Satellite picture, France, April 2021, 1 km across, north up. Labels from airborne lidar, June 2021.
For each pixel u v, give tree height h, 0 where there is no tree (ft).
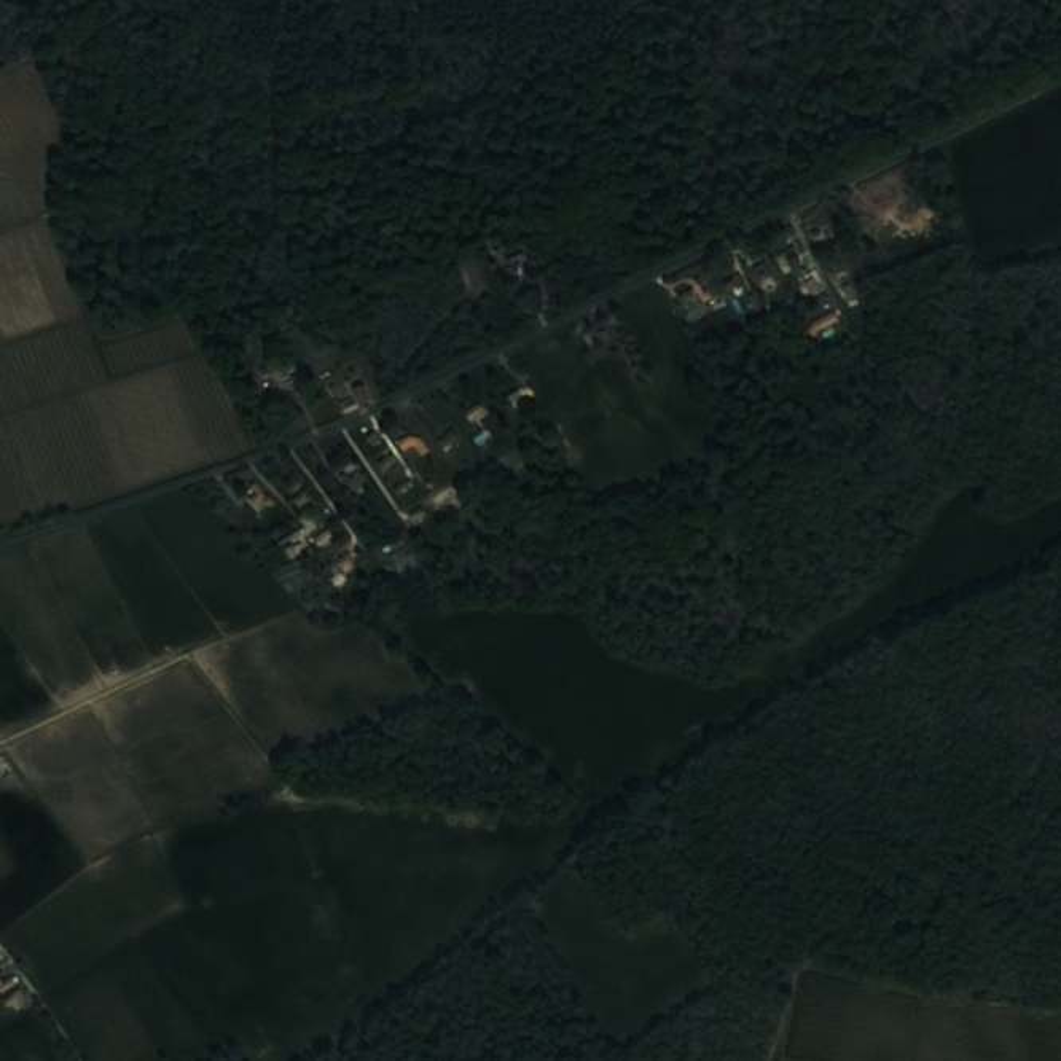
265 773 0
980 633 78
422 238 87
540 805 89
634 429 0
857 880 64
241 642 0
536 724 0
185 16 67
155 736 0
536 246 35
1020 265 59
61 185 63
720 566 49
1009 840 62
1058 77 66
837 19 58
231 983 0
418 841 0
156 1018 0
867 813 54
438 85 53
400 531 18
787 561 74
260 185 52
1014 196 0
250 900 0
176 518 0
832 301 0
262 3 75
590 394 0
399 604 80
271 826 0
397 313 55
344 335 48
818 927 56
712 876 78
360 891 0
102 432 0
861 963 44
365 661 0
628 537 78
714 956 56
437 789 72
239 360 72
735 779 65
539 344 0
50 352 0
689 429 0
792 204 69
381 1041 53
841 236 43
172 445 0
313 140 40
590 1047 38
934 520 74
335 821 0
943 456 64
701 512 81
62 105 54
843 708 72
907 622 30
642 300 0
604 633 57
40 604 0
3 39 67
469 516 26
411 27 46
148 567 0
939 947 61
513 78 82
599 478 0
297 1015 0
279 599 0
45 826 0
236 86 52
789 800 64
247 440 0
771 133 44
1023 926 81
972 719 55
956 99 69
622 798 0
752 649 77
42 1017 22
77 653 0
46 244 0
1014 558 0
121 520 0
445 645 0
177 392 0
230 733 0
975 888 61
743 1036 34
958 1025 0
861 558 75
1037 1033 0
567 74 84
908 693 75
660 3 64
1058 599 75
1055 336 53
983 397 63
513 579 39
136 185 95
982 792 52
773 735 63
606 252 35
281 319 67
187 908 0
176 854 0
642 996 0
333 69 80
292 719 0
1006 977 64
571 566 28
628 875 80
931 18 73
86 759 0
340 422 0
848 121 58
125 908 0
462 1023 77
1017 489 59
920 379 52
